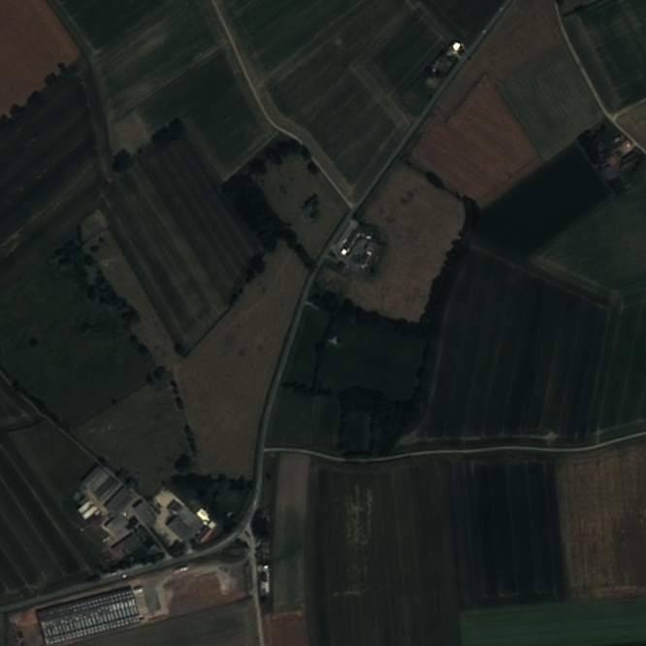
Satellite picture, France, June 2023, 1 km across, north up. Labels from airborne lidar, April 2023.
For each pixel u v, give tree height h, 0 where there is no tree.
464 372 0
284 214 0
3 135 0
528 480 0
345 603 0
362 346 0
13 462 0
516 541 0
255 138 0
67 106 0
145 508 0
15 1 0
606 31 0
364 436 0
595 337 0
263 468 0
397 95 0
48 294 0
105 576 0
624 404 0
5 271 0
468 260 0
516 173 0
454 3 0
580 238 0
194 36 0
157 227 0
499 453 0
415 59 0
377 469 0
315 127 0
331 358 0
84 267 0
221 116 0
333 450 0
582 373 0
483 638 0
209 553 0
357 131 0
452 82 0
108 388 0
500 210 0
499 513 0
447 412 0
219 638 0
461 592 0
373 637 0
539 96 0
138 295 0
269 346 0
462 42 0
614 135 0
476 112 0
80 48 0
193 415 0
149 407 0
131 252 0
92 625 0
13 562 0
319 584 0
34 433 0
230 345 0
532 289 0
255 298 0
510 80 0
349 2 0
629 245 0
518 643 0
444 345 0
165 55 0
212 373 0
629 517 0
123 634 0
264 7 0
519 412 0
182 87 0
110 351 0
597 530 0
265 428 0
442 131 0
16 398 0
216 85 0
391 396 0
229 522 9
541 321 0
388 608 0
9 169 0
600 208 0
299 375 0
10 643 0
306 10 0
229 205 0
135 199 0
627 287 0
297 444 0
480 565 0
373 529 0
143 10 0
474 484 0
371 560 0
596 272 0
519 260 0
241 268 0
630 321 0
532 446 0
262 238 13
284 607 0
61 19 0
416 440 0
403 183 0
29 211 0
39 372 0
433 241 0
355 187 0
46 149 0
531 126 0
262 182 0
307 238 0
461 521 0
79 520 0
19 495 0
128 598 0
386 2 0
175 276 0
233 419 0
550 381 0
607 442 0
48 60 0
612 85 0
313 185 0
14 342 0
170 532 0
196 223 0
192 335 0
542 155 0
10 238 0
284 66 0
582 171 0
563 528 0
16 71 0
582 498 0
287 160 0
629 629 0
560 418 0
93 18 0
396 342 0
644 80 0
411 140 0
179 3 0
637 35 0
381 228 0
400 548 0
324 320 0
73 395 0
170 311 0
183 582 0
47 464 0
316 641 0
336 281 0
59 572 0
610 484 0
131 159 15
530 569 0
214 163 0
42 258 0
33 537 0
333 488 0
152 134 0
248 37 0
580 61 0
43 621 0
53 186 0
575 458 0
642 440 0
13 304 0
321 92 0
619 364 0
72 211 0
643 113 0
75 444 0
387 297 0
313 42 0
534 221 0
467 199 13
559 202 0
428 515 0
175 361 0
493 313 0
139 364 0
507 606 0
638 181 0
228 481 14
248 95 0
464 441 0
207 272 0
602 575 0
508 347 0
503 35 0
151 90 0
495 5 0
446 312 0
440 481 0
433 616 0
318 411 0
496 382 0
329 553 0
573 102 0
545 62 0
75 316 0
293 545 0
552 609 0
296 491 0
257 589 0
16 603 0
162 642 0
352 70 0
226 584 0
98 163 0
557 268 0
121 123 0
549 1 0
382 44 0
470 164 0
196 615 0
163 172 0
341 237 0
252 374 0
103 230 0
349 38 0
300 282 0
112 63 0
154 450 0
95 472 0
